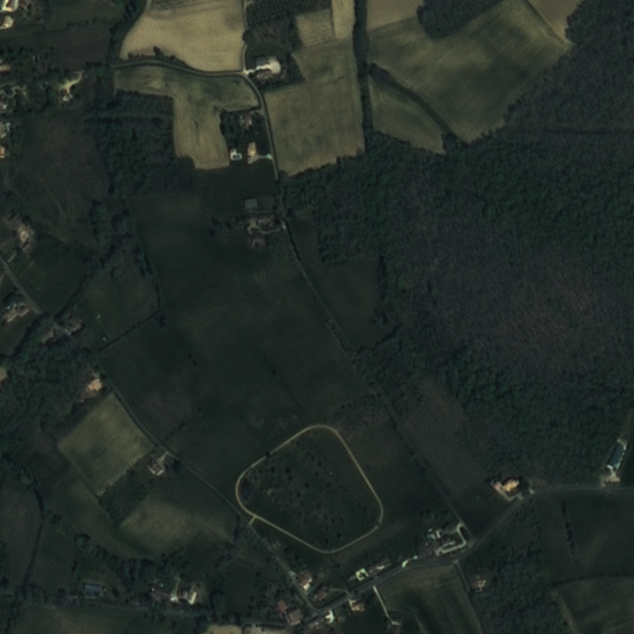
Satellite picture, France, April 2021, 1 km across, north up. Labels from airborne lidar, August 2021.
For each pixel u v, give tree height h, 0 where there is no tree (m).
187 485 0
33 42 0
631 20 16
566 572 0
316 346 0
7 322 8
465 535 16
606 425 21
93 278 10
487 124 0
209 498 0
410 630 0
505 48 0
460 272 17
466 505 0
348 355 10
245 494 0
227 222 0
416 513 0
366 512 9
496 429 21
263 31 6
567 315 12
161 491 0
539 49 0
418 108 0
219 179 0
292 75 11
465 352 15
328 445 0
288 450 0
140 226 11
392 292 12
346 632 0
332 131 0
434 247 15
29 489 6
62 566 0
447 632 0
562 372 19
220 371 6
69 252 8
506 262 18
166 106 13
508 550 8
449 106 0
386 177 27
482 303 20
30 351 22
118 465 0
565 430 27
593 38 16
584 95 18
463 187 20
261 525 0
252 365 7
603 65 19
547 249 22
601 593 0
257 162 0
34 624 0
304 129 0
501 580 11
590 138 20
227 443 0
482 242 19
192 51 0
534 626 23
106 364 0
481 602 17
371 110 16
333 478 10
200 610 17
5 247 0
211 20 0
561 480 20
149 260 15
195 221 6
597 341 16
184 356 6
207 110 0
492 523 0
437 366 8
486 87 0
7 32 0
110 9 0
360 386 0
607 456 15
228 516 0
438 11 23
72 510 0
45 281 0
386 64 0
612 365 16
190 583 8
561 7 0
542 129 7
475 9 17
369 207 23
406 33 0
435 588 0
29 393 19
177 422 0
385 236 27
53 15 11
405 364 13
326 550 9
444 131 0
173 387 0
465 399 19
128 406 0
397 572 0
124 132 22
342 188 20
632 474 0
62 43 0
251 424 0
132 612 0
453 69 0
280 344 0
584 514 0
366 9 9
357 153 0
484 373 25
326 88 0
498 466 6
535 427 26
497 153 21
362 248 15
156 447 7
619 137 19
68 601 21
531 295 15
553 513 0
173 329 8
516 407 29
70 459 0
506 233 18
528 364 16
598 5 9
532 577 25
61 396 22
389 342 13
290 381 0
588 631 0
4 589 13
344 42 0
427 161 12
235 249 0
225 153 0
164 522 0
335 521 8
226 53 0
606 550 0
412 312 6
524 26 0
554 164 24
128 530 0
